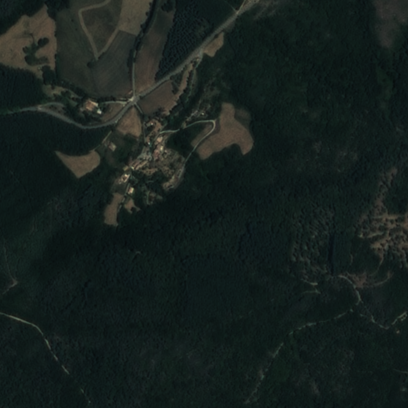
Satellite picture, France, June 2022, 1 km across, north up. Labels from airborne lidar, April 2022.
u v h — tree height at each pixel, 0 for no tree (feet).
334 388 22
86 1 0
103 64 0
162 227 83
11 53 0
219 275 49
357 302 23
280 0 0
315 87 49
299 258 66
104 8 0
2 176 28
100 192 104
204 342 45
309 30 26
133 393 40
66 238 44
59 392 27
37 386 34
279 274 39
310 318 38
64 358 54
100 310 63
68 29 0
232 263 45
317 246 46
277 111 36
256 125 54
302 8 19
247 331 43
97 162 0
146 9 0
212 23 61
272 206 111
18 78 67
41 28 0
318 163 43
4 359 35
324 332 37
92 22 0
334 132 46
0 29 56
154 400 41
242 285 61
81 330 43
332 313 31
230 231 60
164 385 24
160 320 48
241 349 40
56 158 36
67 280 46
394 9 0
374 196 59
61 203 24
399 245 68
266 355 35
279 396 42
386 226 50
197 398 36
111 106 0
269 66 24
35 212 31
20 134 70
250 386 46
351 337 40
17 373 56
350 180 28
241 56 31
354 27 39
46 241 29
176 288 49
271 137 62
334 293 25
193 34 54
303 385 35
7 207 27
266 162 39
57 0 76
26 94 70
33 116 70
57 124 60
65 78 0
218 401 40
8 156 32
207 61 22
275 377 61
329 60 31
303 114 28
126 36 0
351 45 48
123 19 0
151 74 0
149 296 59
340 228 58
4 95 71
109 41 0
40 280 26
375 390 23
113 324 46
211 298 68
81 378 39
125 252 71
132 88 0
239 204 59
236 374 46
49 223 27
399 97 73
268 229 84
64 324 56
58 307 48
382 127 46
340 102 51
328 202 56
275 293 24
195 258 68
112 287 71
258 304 24
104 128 43
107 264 100
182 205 47
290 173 19
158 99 0
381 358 28
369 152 72
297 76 41
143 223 57
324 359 56
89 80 0
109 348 38
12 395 24
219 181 34
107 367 46
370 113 46
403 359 26
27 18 0
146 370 25
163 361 26
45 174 38
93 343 43
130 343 22
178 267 51
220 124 0
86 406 34
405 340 23
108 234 38
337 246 91
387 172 47
